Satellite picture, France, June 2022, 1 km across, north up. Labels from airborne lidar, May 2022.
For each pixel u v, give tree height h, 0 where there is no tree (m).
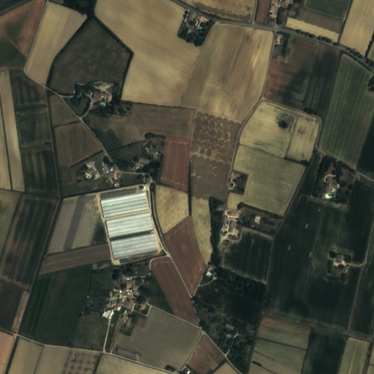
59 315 0
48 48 0
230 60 0
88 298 0
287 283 0
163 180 0
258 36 0
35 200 0
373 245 0
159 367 0
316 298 0
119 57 0
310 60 0
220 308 0
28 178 0
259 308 0
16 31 0
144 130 0
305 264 0
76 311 0
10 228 0
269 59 0
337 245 0
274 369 0
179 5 0
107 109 9
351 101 0
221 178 0
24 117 0
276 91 0
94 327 0
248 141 0
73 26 0
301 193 0
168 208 0
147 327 0
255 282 13
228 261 0
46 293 0
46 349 0
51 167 0
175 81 0
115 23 0
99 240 0
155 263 0
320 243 0
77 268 0
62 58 0
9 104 0
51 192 0
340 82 0
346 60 0
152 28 0
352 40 0
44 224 0
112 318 0
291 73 0
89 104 9
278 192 0
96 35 0
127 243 0
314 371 0
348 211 0
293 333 0
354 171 11
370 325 0
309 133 0
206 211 0
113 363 0
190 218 0
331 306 0
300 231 0
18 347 0
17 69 0
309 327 0
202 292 0
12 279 0
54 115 0
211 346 0
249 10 0
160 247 0
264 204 0
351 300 0
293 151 0
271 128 0
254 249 0
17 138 0
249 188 0
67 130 0
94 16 8
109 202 0
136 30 0
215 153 0
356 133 0
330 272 9
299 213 0
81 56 0
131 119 0
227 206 0
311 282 0
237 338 10
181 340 0
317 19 0
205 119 0
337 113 0
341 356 0
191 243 0
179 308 0
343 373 0
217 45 0
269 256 0
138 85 0
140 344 0
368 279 0
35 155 0
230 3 0
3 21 0
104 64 0
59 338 0
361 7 0
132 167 6
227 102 0
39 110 0
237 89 0
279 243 0
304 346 0
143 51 0
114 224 0
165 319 0
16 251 0
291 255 0
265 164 0
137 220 0
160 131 0
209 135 0
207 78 0
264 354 0
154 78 0
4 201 0
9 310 0
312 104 0
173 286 0
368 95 0
